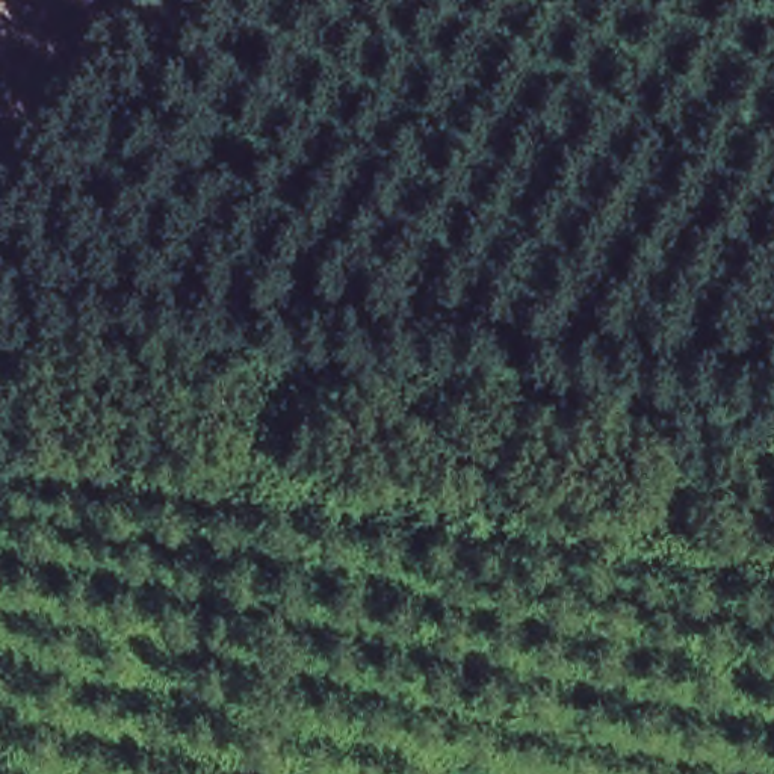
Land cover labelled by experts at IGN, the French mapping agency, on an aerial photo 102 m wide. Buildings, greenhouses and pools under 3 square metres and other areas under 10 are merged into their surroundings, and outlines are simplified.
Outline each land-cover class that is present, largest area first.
<instances>
[{"label":"deciduous trees","instance_id":"1","mask_svg":"<svg viewBox=\"0 0 774 774\"><path fill-rule=\"evenodd\" d=\"M351 9L348 0H124L115 12L100 15L91 24L85 36L82 63L67 57L63 73L39 85V109L24 118L18 148L0 157V499L12 502L15 517L36 514V523L24 538H9V532L0 529V553L12 550L21 559V593H39L36 577L45 562L63 565L70 590L76 584L91 587L94 571H112L118 581H127V596H115V602L106 605L112 626L136 623L142 617L136 611L142 584H163L178 599L221 593L224 599L236 602V608H251V581L257 568L239 565V571H230L221 556H227L233 547H251L272 559H305V568L311 571L348 568V577L342 584L345 605H333L327 620L320 623L339 632V647L324 656V677L330 680L339 677V659H354L357 671L369 668V662L357 650V632H363L360 626L369 617L363 605V559L369 556L378 562L396 559L402 553L405 571L420 574L429 584H441V593L435 599L441 602L444 617L435 623V638L423 644L429 653H438L435 668L423 671L426 695L450 686L457 689L463 683L466 659H447L441 653L450 641H457V635H478L472 629V611H493L499 617V629L490 635V650L484 653V659L490 662V683L466 701L472 707H490L499 695H505V701L541 695L550 683L547 677L529 674L526 680H520L517 671L505 668L502 662V656L511 647L520 650L523 623L541 620L544 626L556 629L553 644L532 647L535 659L547 665H559L574 638L608 641V656L590 668L593 674L587 686L593 689H626L635 680V674L623 665L632 650H686L692 662L686 665L683 680L695 683L689 711L701 714V726L680 729L683 747H698V732L720 729V714H726L707 689V674L714 671L717 653H729L732 671L750 665L759 677L774 674V653L768 647L738 641L735 623L738 617H750V626H765L774 617V251L768 245H756L747 254L738 236L750 227V218L756 212H762L774 200V136L768 130L756 133V157L750 175L741 181V187H732L726 194L714 227H701L692 212L704 197V181L711 178V172H717L726 163V142L750 127L747 121H753L756 115V97L774 85V27L765 33V45L759 51L738 45L735 51H723L720 45L732 36L741 39L747 18L774 15V0H726L717 15V36L711 42H698V48L689 57V70L674 79L671 88H665L659 115L665 124H671L674 133L683 130V106L695 97H704L711 88V82L704 79V67H714L720 73V60H741L747 67V76L735 85L732 100L720 106V118L714 127L704 124L698 136L680 142L683 172L677 178V194L659 209L650 236L638 245L632 257L629 275L608 290L611 308L599 314V327L581 345H568L562 333L568 327V314L581 305L587 290L593 287V278L608 263V248L614 236L635 224V200L641 184L650 178V157L662 154L659 133H647L635 145L623 181L611 190L602 212L584 227L581 251L556 269V293L547 299V305L535 308L529 333L523 327L508 324L514 311L511 305L529 284L541 248L559 239L556 221L562 215V206H581V187H587L590 181L593 160L602 157V151L611 142V133L623 130L629 124L632 109H638V97L644 94V82L650 76V57L656 51H665V36L671 33L674 6L668 0H662L656 9V21L647 24V36L641 42H629L623 33H617V15L608 6V0H605L599 6L596 21L574 36L571 73H584L602 45L611 48L617 54V67L623 70L617 82L626 91V100L614 112L608 106L602 115H596L584 142L571 145L562 154V175L535 209L538 233L514 248L505 269L496 275L490 299L472 320L469 348L454 342V327L435 317L420 320L411 314L408 284L423 266L426 248L432 242H447L450 203H460L469 194L472 166L490 157V136L505 118V112L514 106L526 76L532 73L529 67L535 63V54L553 57L550 33L559 21H568L581 9L574 0H547L532 18V33L517 36L514 51L502 57L499 82L493 91H487L478 82L475 63H466L444 79L441 91H429L426 109L441 112L466 85L475 88L478 103L472 109L469 133H463V142L447 139V166L432 169L426 154L417 148L414 130H399V157L393 163V172L387 178H375V190L363 200L348 236L333 245L330 257L317 269V296L311 299V305H305L290 296V275L296 257L317 242L327 221H333V215L342 209V194L357 178L363 160H357V148H345L327 166H320L311 175L302 212H296V206L278 197V184L296 169V163L305 154V145L314 142L320 121L327 118V109L342 106L339 85H360L363 42L369 39L366 24H354L342 51L330 54L324 48L327 36L336 27V18H342ZM248 30H260L266 39V60L260 79L242 70L233 57L239 36H245ZM302 57L320 63V79L314 85L311 100H299L296 94L284 91V85L296 79V67ZM275 106L290 112V127L281 130L284 154L278 160H266L251 172H236L230 166L206 178L197 175L194 163L209 157L215 136H233L239 142H248L254 151L266 148V136H260V130L263 118ZM112 118L118 124L133 127V136L124 142L127 157H136L148 145L154 148L157 160L148 166L142 181L124 187L112 206H100L91 197L88 181L94 163L106 154ZM405 178H414L417 184L432 181L441 190L435 200H429V209L423 215L405 212V206L399 203V187L405 184ZM157 197L166 200L169 215L163 224V248L154 251L148 248L145 224ZM269 209L281 212L290 224L284 227L275 254L266 260L254 251V242L266 224ZM390 218L402 221L405 233L396 239L393 260L384 263L372 248V233L384 227ZM680 233L695 242V257L689 266L680 269L671 299L656 302L650 296V275L665 266V254L677 245ZM127 245L139 257L136 284L127 299L103 302L97 299V290L112 287L118 281V257L127 251ZM357 269H366L372 284L366 299L351 308L345 290L348 278ZM726 269L738 272L741 281L732 284L726 305L717 317L720 342L698 357L686 345V339L692 336L695 305L704 299L711 278L723 275ZM638 305L650 311L656 320L650 336L656 351L653 363L641 360L635 348V333L629 327L632 311ZM91 520L103 535H139L145 547L133 559H115L109 550L91 553L85 541L70 547L57 541L60 526ZM426 526L441 529L444 538L438 547H432L426 559L417 562L408 553V541ZM559 562H571L574 574L581 581H590L593 593L602 599L611 590H626V581H638L647 587V605H665L671 599L695 617H707L711 611H729V623L704 635H680L665 605L656 614L662 629H647L638 623L635 608L629 605H617V614H599L587 608V602L562 593L538 605H529L526 596L550 590L562 577ZM372 9L384 33L387 63L381 76L390 79V91L378 94L381 106L375 115H357V133L366 139H372L378 121H387L393 115V100L408 91V82L402 79L408 67V45L399 27L390 21V6L384 0H378ZM450 18L441 0H426L417 9L420 36H435L438 27ZM568 85L556 82L547 91L544 109L529 112L520 124L514 154L508 157L505 172L496 181L493 197L469 221V245L444 263L447 290L438 293V299L444 305H460L466 299V290L478 281L487 245L502 233L508 221V206L523 197L535 166V127L562 133L568 124ZM266 605H275V617H269L263 626L251 620L239 644L227 641L224 620H215L209 647L215 653L209 656V668L187 671L194 680L206 683L203 701H209L212 707H218L224 698L233 647L269 656L275 653V641L287 638L284 623H311L308 617L314 605L302 596V581L287 574L278 590L263 596ZM429 596L408 590L399 611L411 614V632H420V626L429 623V617L423 614V602ZM154 626L160 629L163 641L160 653L194 650L197 620L163 608V614L154 617ZM411 647H396L387 659V668H375V674L384 680H417L420 671L408 656ZM281 677V668H269L263 671L260 686L242 692L239 704H272V686ZM82 686L60 674L57 686H51L45 695H36L39 720L33 723L36 744H54L57 750L70 738V732L63 726H54V717L73 704V695ZM148 717H160L166 723L172 717V692L145 689ZM357 707L363 714L357 720H363L366 735H375L378 723L402 729L396 717L387 714V695L360 692ZM677 704L659 701L653 717L629 726L632 735L677 732V726L668 717ZM511 729V723L502 717L499 723H460L457 714L444 707H414V726L408 729V735H414L423 747L441 741L454 744L460 735H484L499 744V738ZM744 723V744H753L756 750L774 756V720L768 723L750 714L738 717Z\"/></svg>","mask_w":774,"mask_h":774},{"label":"herbaceous vegetation","instance_id":"2","mask_svg":"<svg viewBox=\"0 0 774 774\"><path fill-rule=\"evenodd\" d=\"M351 9L342 18H336V27L327 36L324 48L330 54L342 51L354 24H366L369 39L363 42L360 85H339L342 106L327 109V118L320 121L314 142L305 145V154L296 163V169L278 184V197L296 206V212H302L311 175L320 166H327L345 148H357V160H363L357 178L342 194V209L333 215V221H327L317 242L296 257L290 275V296L305 305H311V299L317 296V269L330 257L333 245L348 236L363 200L375 190V178H387L393 172V163L399 157V130H414L417 148L426 154L432 169L447 166V139L463 142V133H469L472 109L478 103L475 88L466 85L441 112L426 109L429 91H441L444 79L466 63H475L478 82L487 91H493L499 82L502 57L514 51L517 36L532 33V18L547 0H441L450 18L438 27L435 36H420L417 9L426 0H384L390 6V21L399 27L408 45V67L402 79L408 82V91L393 100V115L387 121H378L372 139H366L357 133V115H375L381 106L378 94L390 91V79L381 76L387 63L384 33L372 9L378 0H348ZM581 9L568 21H559L550 33L553 57L535 54V63L529 67L532 73L526 76L514 106L505 112V118L490 136V157L472 166L469 194L460 203H450L447 242H432L426 248L423 266L408 284L411 314L420 320L435 317L454 327V342L469 348L472 320L490 299L496 275L505 269L514 248L538 233L535 209L562 175V154L571 145L584 142L596 115H602L608 106L614 112L626 100V91L617 82L623 70L617 67V54L611 48L602 45L584 73H571L574 36L596 21L599 6L605 0H574ZM556 82L568 85V124L562 133L535 127V166L523 197L508 206V221L502 233L487 245L478 281L466 290V299L460 305H444L438 299V293L447 290L444 263L469 245V221L493 197L496 181L505 172L508 157L514 154L520 124L529 112L544 109L547 91ZM662 0H608V6L617 15V33H623L629 42H641L647 36V24L656 21V9ZM674 6L671 33L665 36V51H656L650 57V76L644 82V94L638 97V109H632L629 124L623 130L611 133V142L602 151V157L593 160L590 181L587 187H581V206H562V215L556 221L559 239L541 248L529 284L511 305L514 311L508 324L523 327L529 333L535 308L547 305V299L556 293V269L581 251L584 227L602 212L611 190L623 181L635 145L647 133H659L662 154L650 157V178L641 184L635 200V224L614 236L608 248V263L593 278V287L587 290L581 305L568 314V327L562 333L568 345H581L599 327V314L611 308L608 290L629 275L632 257L638 245L650 236L659 209L677 194V178L683 172L680 142L698 136L704 124L714 127L720 118V106L732 100L735 85L747 76V67L741 60H720V73L714 67H704V79L711 82V88L704 97H695L683 106V130L674 133L671 124H665L659 115L665 88H671L674 79L689 70V57L698 48V42H711L717 36V15L726 0H668ZM774 27V15L747 18L741 39L732 36L720 45L723 51H735L738 45L759 51L765 45V33ZM233 57L242 70L260 79L266 60V39L260 30H248L245 36H239ZM296 79L284 85V91L296 94L299 100H311L314 85L320 79V63L302 57L296 67ZM750 127L726 142V163L717 172H711V178L704 181V197L692 212L701 227H714L726 194L732 187H741V181L750 175L756 157V133L768 130L774 136V85L756 97V115L753 121H747ZM290 127V112L275 106L263 118L260 130V136H266V148L254 151L248 142H239L233 136H215L209 157L194 163L197 175L206 178L230 166L236 172H251L266 160H278L284 154L281 130ZM133 136V127L118 124L112 118L106 154L94 163L88 181L91 197L100 206H112L124 187L142 181L148 166L157 160L154 148L148 145L136 157H127L124 142ZM441 190L432 181L417 184L414 178H405V184L399 187V203L405 206V212L423 215L429 209V200H435ZM169 215L166 200L157 197L145 224L148 248L154 251L163 248V224ZM747 254L756 245H768L774 251V200L762 212H756L750 218V227L738 236ZM290 224L281 212L269 209L266 224L254 242V251L266 260L275 254L284 227ZM405 233L402 221L390 218L384 227L372 233V248L384 263L393 260L396 239ZM695 257V242L680 233L677 245L665 254V266L650 275V296L656 302L671 299L680 269L689 266ZM139 257L127 245V251L118 257V281L112 287L97 290V299L103 302L127 299L136 284ZM372 284L366 269H357L348 278L345 290L351 308L366 299ZM741 281L738 272L726 269L723 275L711 278L704 299L695 305L692 336L686 339V345L698 357L720 342L717 317L726 305L732 284ZM656 320L650 311L638 305L632 311L629 327L635 333V348L641 360L653 363L656 351L650 336ZM36 523V514L15 517L12 502L0 499V529L9 532V538H24ZM57 541L70 547L85 541L91 553L109 550L115 559H133L145 547L139 535H103L91 520L60 526ZM444 538L441 529L426 526L408 541V553L417 562L426 559L432 547H438ZM230 571H239V565L257 568L251 581V608H236V602L224 599L221 593L178 599L163 584H142L136 611L142 617L136 623L112 626L106 605L115 602V596H127V581H118L112 571H94L91 587L76 584L70 590L63 565L45 562L36 577L39 593H21V559L12 550L0 553V774H774V756L756 750L753 744H744V723L738 717L750 714L768 723L774 720V674L759 677L750 665L732 671L729 653H717L714 671L707 674V689L726 714H720V729L698 732V747H683L680 729L701 726V714L689 711L695 683L683 680L686 665L692 662L686 650H632L623 665L635 674V680L626 689H593L587 686L593 674L590 668L608 656V641L574 638L559 665H547L535 659L532 647L553 644L556 629L544 626L541 620L523 623L520 650L511 647L502 656V662L505 668L517 671L520 680H526L529 674L547 677L550 683L541 695L505 701V695H499L490 707H472L466 701L490 683V662L484 659V653L490 650V635L499 629V617L493 611H472V629L478 635H457V641H450L441 653L447 659H466L463 683L457 689L450 686L426 695L423 671L435 668L438 653H429L423 644L435 638V623L444 617L441 602L435 599L441 593V584H429L420 574L405 571L402 553L396 559L378 562L369 556L363 559V605L369 617L360 626L363 632H357V650L369 662V668L357 671L354 659H339V677L330 680L324 677V656L339 647V632L320 623L327 620L333 605H345L342 584L348 577V568L311 571L305 568V559H272L251 547H233L227 556H221ZM287 574L302 581V596L314 605L308 617L311 623H284L287 638L275 641V653L269 656L233 647L224 698L218 707H212L209 701H203L206 683L194 680L187 671L209 668V656L215 653L209 647L215 620H224L227 641L239 644L251 620L263 626L269 617H275V605H266L263 596L278 590ZM408 590L429 596L423 602V614L429 617V623L420 626V632H411V614L399 611ZM163 608L197 620L194 650L160 653L163 641L160 629L154 626V617L163 614ZM396 647H411L408 656L420 671L417 680H384L375 674V668H387V659ZM269 668H281V677L272 686V704H239L242 692L260 686L263 671ZM60 674L82 686L73 695V704L54 717V726H63L70 732V738L57 750L54 744H36L33 723L39 720L36 695H45L51 686H57ZM145 689L172 692V717L166 723L160 717H148ZM360 692L387 695V714L396 717L402 729L378 723L375 735H366L363 720H357L363 714L357 707ZM659 701L677 704L668 717L677 726V732L632 735L629 726L653 717ZM414 707H444L457 714L460 723H499L502 717L511 723V729L499 738V744L484 735H460L454 744L441 741L423 747L414 735H408V729L414 726ZM562 577L550 590L526 596L529 605H538L562 593L587 602V608L599 614H617V605H629L635 608L638 623L647 629H662L656 614L665 605H647V587L638 581H626V590H611L602 599L593 593L590 581H581L574 574L571 562H559ZM665 605L680 635H704L729 623V611H711L707 617H695L671 599ZM738 641L768 647L774 653V617L765 626H750V617H738L735 623Z\"/></svg>","mask_w":774,"mask_h":774},{"label":"plowed land","instance_id":"3","mask_svg":"<svg viewBox=\"0 0 774 774\"><path fill-rule=\"evenodd\" d=\"M124 0H0V157L18 148L24 118L39 109V85L63 73L67 57L82 63L85 36L91 24L100 15L115 12Z\"/></svg>","mask_w":774,"mask_h":774}]
</instances>
